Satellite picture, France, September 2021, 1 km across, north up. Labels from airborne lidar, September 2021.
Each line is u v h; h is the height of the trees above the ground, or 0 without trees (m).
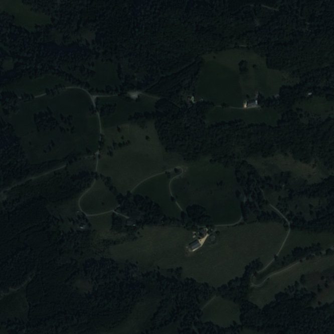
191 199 0
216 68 0
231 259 0
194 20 15
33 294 10
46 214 25
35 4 15
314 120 12
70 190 9
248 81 0
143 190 0
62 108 0
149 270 0
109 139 0
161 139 11
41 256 13
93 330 10
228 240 0
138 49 22
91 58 28
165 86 10
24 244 11
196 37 21
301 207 0
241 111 0
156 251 0
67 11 17
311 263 0
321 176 0
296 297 15
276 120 0
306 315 25
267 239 0
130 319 0
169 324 12
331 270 0
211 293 20
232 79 0
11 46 16
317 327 27
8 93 0
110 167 0
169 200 0
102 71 0
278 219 25
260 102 18
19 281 27
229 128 23
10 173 10
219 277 0
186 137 20
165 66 21
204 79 0
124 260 0
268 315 28
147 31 25
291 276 0
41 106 0
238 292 14
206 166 0
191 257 0
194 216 22
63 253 19
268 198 0
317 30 13
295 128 24
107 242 6
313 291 0
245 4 17
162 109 18
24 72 15
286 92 22
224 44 21
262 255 0
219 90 0
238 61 0
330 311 26
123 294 15
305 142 23
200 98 0
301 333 28
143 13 31
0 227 11
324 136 22
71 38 13
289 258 7
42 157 0
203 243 0
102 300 15
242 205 0
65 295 9
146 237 0
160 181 0
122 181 0
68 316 13
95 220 0
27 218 22
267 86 0
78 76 0
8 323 6
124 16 23
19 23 0
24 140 0
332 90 16
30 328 19
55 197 8
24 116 0
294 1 24
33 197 6
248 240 0
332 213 16
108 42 26
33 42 21
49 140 0
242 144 15
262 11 7
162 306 13
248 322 26
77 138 0
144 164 0
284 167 0
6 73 0
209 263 0
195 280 0
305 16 14
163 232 0
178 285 30
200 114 19
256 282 0
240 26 13
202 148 19
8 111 11
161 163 0
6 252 9
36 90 0
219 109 0
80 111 0
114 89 0
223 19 19
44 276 10
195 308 13
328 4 27
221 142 14
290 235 0
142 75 0
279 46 17
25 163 14
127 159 0
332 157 15
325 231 20
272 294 0
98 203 0
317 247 15
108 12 29
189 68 8
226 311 0
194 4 21
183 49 24
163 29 19
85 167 0
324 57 14
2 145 0
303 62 16
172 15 14
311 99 14
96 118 0
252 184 26
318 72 18
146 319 0
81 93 0
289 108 16
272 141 26
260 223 16
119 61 13
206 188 0
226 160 20
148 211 21
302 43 22
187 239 0
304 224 22
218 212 0
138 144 0
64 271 10
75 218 0
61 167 0
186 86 6
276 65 20
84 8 21
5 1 0
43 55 28
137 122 17
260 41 21
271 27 19
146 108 0
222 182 12
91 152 11
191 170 0
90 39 0
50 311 8
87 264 16
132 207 16
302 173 0
